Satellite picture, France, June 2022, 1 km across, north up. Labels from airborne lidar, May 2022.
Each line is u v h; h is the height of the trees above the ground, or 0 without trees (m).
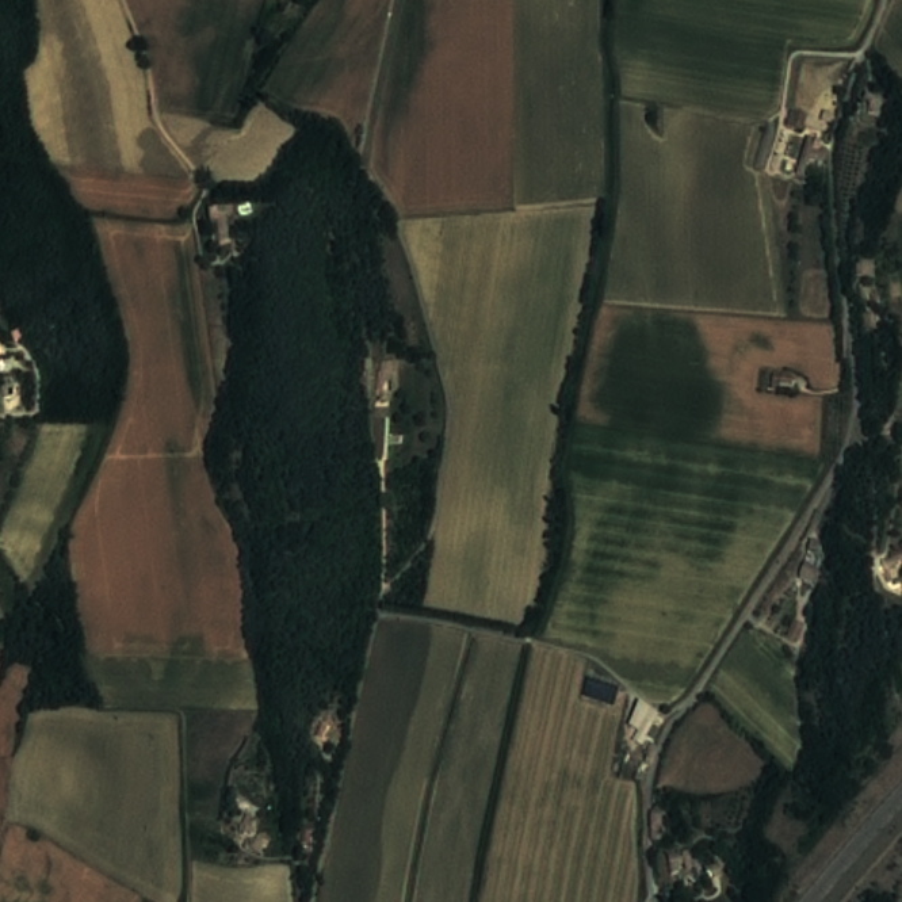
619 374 0
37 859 0
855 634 12
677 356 0
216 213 0
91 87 0
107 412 10
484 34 0
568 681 0
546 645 0
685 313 0
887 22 0
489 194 0
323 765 14
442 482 0
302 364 7
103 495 0
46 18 0
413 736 0
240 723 0
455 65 0
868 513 9
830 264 12
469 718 0
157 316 0
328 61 0
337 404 8
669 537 0
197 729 0
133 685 0
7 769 0
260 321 10
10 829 0
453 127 0
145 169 0
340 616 11
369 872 0
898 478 8
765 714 0
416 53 0
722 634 0
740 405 0
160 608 0
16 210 13
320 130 15
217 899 0
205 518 0
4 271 8
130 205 0
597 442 0
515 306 0
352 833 0
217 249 8
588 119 0
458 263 0
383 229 6
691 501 0
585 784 0
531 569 0
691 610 0
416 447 0
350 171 13
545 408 0
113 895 0
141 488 0
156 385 0
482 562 0
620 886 0
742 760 0
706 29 0
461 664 0
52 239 12
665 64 0
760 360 0
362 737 0
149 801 0
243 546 8
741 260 0
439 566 0
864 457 12
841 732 9
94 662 0
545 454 0
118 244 0
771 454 0
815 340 0
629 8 0
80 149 0
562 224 0
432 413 6
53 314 12
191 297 0
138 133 0
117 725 0
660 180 0
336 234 10
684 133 0
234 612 0
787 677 0
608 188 0
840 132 13
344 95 0
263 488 6
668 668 0
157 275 0
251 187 11
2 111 9
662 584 0
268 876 0
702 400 0
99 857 0
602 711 0
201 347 0
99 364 7
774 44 0
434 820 0
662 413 0
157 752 0
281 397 10
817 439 0
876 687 9
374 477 14
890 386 12
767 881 11
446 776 0
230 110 0
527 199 0
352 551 7
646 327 0
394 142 0
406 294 0
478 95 0
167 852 0
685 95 0
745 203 0
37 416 9
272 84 0
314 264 8
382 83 0
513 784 0
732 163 0
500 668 0
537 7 0
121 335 8
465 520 0
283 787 12
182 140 0
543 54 0
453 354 0
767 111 0
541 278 0
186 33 0
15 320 8
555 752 0
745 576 0
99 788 0
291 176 9
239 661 0
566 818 0
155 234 0
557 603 0
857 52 0
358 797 0
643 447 0
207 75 0
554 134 0
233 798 12
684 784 0
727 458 0
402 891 0
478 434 0
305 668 10
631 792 0
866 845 0
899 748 0
